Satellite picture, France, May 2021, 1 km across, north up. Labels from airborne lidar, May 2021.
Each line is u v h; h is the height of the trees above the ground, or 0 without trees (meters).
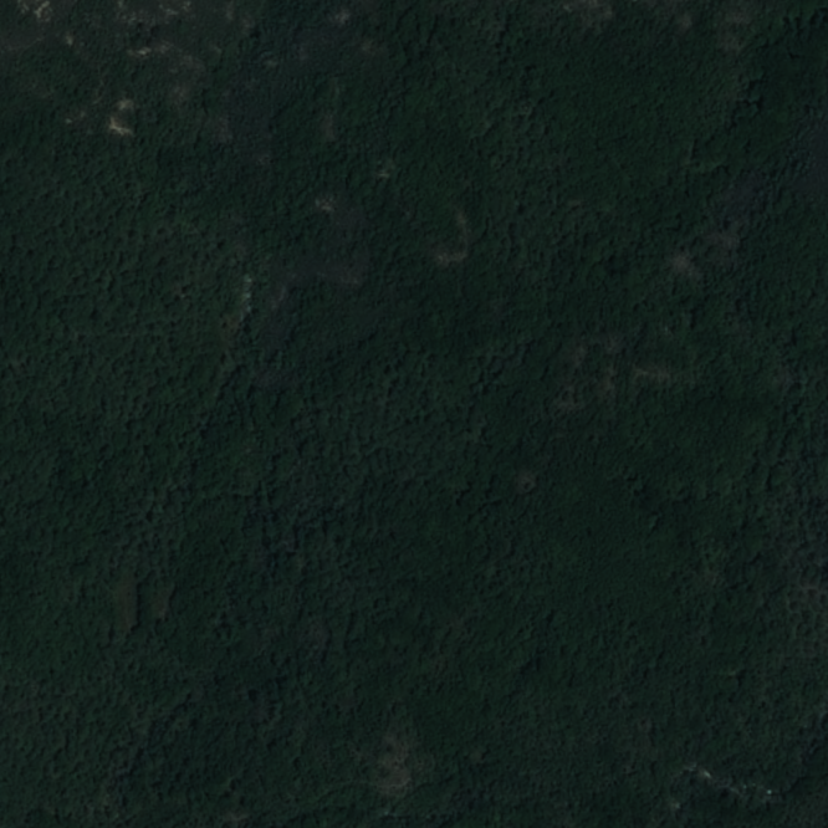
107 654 20
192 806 14
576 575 21
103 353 23
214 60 11
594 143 15
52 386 26
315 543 17
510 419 18
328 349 7
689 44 11
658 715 12
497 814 27
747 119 28
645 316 20
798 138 7
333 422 17
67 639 21
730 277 13
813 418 20
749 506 12
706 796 25
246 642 6
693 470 23
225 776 16
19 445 21
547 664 30
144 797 15
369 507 7
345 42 6
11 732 16
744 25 8
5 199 23
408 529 20
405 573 19
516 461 17
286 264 9
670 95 16
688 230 12
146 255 16
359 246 9
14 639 11
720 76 12
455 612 11
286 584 8
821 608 17
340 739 11
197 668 19
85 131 6
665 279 12
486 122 17
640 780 8
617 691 21
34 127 16
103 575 25
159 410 15
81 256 21
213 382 13
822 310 25
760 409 22
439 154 15
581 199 17
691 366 14
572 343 6
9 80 10
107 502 8
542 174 10
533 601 18
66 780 16
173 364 16
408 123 13
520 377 17
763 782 16
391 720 14
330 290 6
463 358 19
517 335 15
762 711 15
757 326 14
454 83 18
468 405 17
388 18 6
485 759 9
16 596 13
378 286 8
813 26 22
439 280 15
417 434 19
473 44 17
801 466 17
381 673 13
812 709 14
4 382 14
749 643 21
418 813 10
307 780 9
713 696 19
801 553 22
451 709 16
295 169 9
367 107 9
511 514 12
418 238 13
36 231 20
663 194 21
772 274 15
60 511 19
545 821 15
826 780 13
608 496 21
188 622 20
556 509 14
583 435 10
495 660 22
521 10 12
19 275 8
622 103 19
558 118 13
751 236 15
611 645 21
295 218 15
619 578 22
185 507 18
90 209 16
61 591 22
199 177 7
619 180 19
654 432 15
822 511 22
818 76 17
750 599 25
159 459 26
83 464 22
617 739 13
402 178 10
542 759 8
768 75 28
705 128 13
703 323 28
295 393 8
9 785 21
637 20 13
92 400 19
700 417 21
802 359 15
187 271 14
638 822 9
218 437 11
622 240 17
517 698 19
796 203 8
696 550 15
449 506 18
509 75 19
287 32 7
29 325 18
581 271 19
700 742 24
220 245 7
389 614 16
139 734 22
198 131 15
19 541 16
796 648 23
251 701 10
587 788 11
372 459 20
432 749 11
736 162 20
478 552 17
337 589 17
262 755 12
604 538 22
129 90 11
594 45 12
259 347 9
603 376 11
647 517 17
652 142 15
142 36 14
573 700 23
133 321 11
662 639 14
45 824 23
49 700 21
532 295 18
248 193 6
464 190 11
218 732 7
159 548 13
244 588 18
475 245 11
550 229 18
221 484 20
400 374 19
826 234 17
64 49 9
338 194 6
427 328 15
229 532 17
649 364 10
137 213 18
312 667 7
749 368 20
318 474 9
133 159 16
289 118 13
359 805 15
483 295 13
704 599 19
